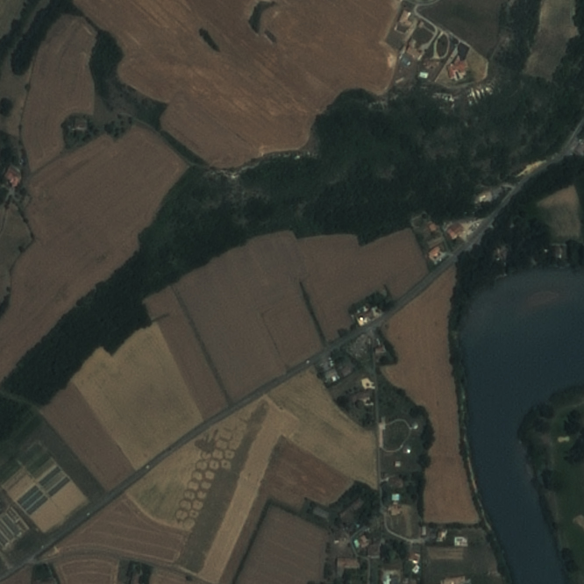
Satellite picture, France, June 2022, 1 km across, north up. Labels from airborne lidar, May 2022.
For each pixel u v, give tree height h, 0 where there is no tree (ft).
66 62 0
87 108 0
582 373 0
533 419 31
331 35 0
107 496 0
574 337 0
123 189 0
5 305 38
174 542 0
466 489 0
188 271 24
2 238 0
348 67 0
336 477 0
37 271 0
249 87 0
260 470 0
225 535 0
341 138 34
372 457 0
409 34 0
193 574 0
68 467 0
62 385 62
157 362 0
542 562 0
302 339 0
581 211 0
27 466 0
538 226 101
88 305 21
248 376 0
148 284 46
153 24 0
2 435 34
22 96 0
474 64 0
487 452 0
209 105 0
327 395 0
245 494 0
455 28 0
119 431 0
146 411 0
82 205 0
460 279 25
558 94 35
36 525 0
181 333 0
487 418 0
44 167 0
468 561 0
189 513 0
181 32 0
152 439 0
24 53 64
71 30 0
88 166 0
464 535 0
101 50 21
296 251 0
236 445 0
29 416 40
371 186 43
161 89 0
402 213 52
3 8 0
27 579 0
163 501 0
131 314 78
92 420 0
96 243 0
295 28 0
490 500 0
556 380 0
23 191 35
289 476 0
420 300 0
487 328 0
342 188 33
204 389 0
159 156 0
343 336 40
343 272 0
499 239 118
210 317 0
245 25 0
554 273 0
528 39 34
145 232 23
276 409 0
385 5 0
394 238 0
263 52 0
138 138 0
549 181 60
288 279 0
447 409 0
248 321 0
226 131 0
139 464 0
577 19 43
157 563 0
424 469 48
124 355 0
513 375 0
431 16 0
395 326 0
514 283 0
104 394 0
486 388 0
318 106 0
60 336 35
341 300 0
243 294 0
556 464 0
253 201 35
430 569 0
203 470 0
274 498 0
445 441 0
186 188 21
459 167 25
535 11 32
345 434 0
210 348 0
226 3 0
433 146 25
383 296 44
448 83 0
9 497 0
